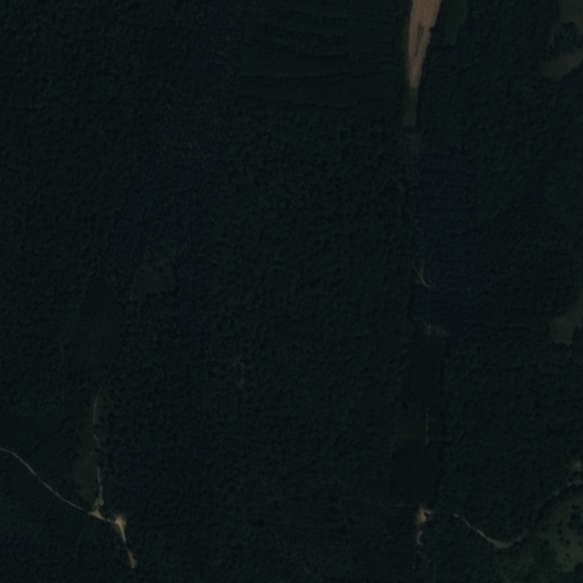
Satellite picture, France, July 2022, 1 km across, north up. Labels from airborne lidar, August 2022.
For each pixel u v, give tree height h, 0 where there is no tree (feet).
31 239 87
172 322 72
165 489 47
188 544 80
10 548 63
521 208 49
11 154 80
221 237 32
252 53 39
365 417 53
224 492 38
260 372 65
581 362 58
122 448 53
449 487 82
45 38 71
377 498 56
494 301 41
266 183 75
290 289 73
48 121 79
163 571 21
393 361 88
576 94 77
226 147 71
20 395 84
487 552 37
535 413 92
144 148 87
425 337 31
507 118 48
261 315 59
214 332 84
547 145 51
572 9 0
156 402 43
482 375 86
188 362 69
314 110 61
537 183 39
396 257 87
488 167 52
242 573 78
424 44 0
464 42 78
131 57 66
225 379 69
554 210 47
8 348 71
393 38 44
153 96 76
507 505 66
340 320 60
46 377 63
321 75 60
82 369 18
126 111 76
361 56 49
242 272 69
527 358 55
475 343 72
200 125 50
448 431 73
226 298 81
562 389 93
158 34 75
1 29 84
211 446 53
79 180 74
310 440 52
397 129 58
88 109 81
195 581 53
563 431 76
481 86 60
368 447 68
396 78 48
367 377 58
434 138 61
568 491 58
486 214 51
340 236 77
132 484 56
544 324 60
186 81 60
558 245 37
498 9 68
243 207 68
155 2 78
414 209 77
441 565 76
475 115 53
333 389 66
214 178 69
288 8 40
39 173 81
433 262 104
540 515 73
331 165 70
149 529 52
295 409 59
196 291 56
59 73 70
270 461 61
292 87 37
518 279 41
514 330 52
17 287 86
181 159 45
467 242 100
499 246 47
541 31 84
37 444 17
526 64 75
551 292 41
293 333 80
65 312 73
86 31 57
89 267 83
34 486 49
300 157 31
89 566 75
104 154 68
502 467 56
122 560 45
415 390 33
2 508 53
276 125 68
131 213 82
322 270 69
